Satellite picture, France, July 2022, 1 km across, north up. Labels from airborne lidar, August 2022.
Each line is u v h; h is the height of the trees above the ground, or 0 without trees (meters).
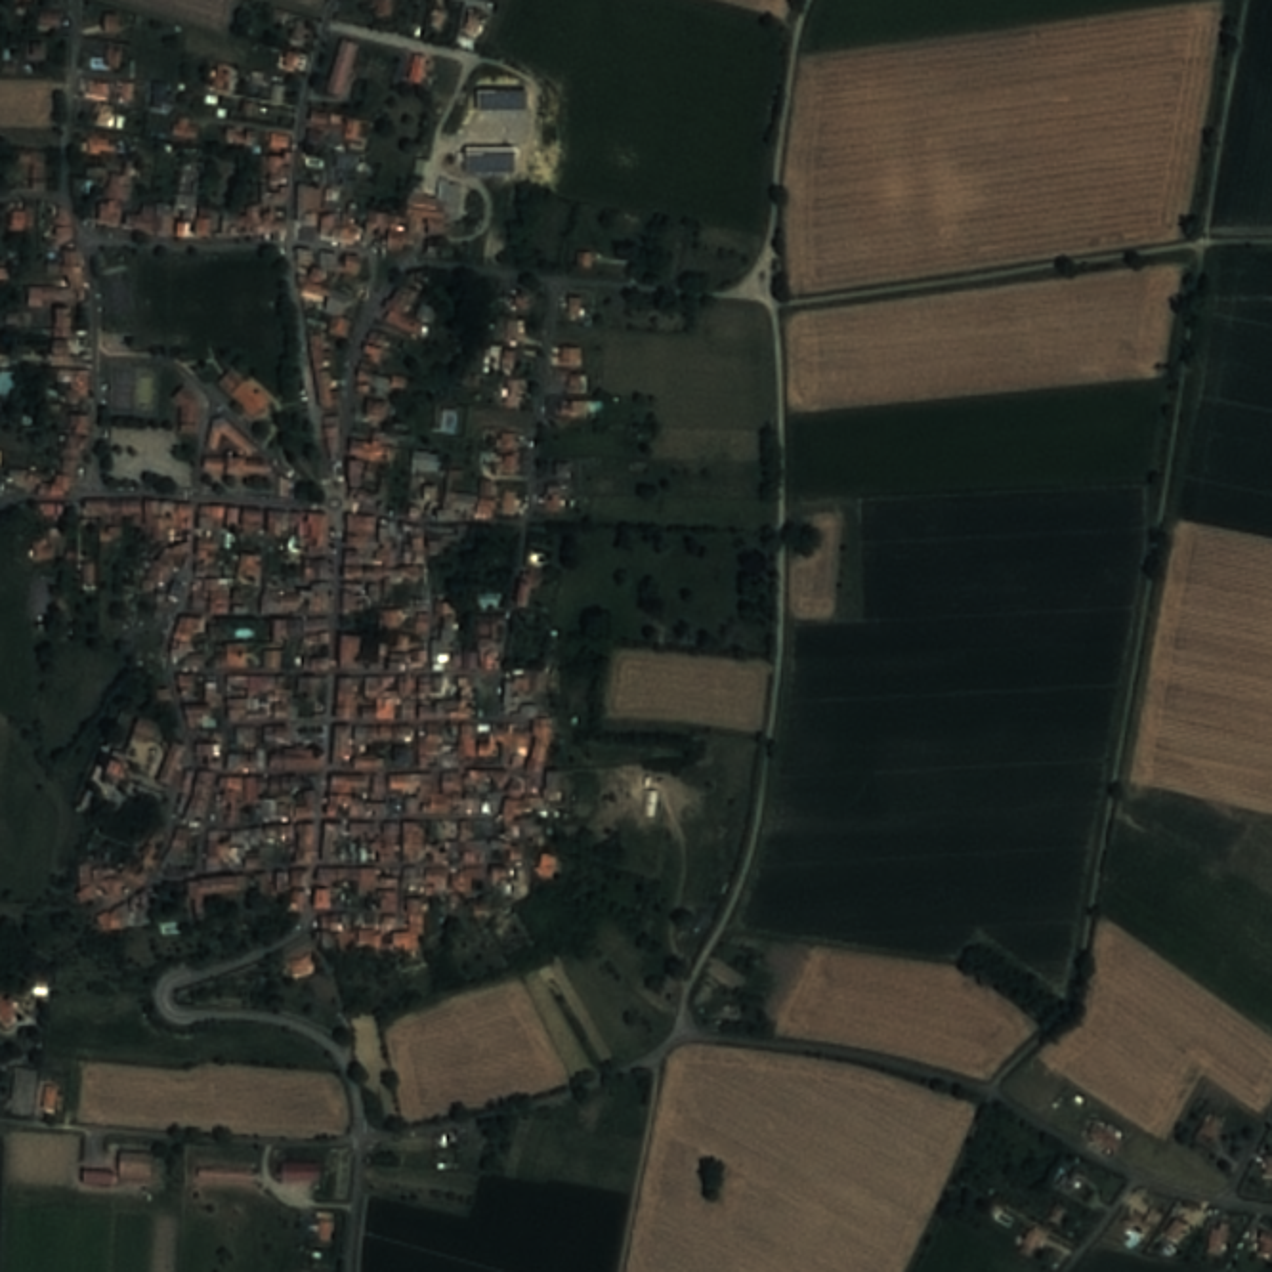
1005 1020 0
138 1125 0
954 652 0
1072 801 0
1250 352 0
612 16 0
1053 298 0
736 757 0
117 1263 0
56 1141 0
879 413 0
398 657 0
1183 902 0
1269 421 0
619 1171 0
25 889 0
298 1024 0
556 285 0
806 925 0
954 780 0
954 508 0
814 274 0
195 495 0
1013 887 0
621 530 8
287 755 0
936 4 0
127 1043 0
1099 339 0
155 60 0
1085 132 0
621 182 0
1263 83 0
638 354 0
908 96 0
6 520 9
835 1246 0
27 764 0
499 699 0
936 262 0
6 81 0
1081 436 0
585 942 7
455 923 13
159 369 0
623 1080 12
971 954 9
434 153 0
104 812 13
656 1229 0
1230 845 0
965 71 0
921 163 0
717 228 0
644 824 0
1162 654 0
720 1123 0
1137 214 0
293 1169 0
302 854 0
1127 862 0
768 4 0
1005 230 0
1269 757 0
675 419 0
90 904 7
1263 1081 0
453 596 12
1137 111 0
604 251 0
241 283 0
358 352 0
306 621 0
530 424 0
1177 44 0
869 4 0
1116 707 0
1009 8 0
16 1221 0
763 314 0
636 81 0
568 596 0
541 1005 0
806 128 0
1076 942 0
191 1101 0
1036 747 0
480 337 11
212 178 8
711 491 0
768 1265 0
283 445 10
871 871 0
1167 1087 0
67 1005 0
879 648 0
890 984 0
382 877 0
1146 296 0
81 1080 0
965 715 0
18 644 0
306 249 0
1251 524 0
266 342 0
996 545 0
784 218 0
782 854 0
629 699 0
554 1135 0
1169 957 0
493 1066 0
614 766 0
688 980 9
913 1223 0
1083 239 0
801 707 0
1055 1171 6
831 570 0
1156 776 0
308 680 0
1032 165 0
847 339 0
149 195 6
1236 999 0
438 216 0
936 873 0
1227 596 0
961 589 0
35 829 0
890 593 0
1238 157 0
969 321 0
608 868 6
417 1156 0
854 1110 0
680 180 0
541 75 0
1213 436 0
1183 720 0
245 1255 0
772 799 0
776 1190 0
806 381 0
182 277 0
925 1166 0
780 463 13
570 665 8
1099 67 0
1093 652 0
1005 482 0
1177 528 0
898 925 0
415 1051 0
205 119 0
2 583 0
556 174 0
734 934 0
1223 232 0
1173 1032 0
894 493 0
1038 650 0
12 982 16
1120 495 0
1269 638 0
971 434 0
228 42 0
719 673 0
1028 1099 0
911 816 0
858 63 0
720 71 0
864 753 0
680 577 0
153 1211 0
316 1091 0
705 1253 0
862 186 0
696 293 13
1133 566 0
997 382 0
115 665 0
